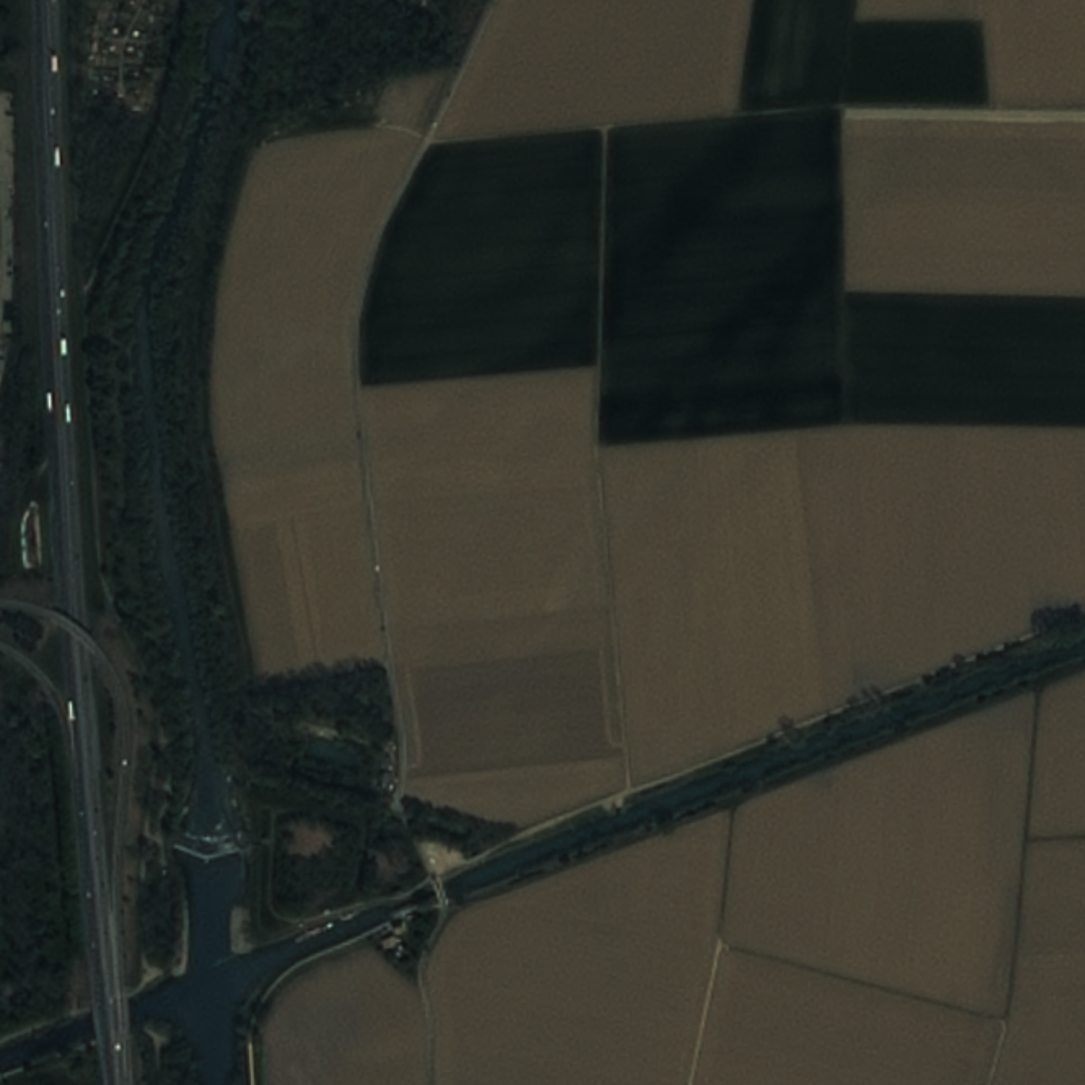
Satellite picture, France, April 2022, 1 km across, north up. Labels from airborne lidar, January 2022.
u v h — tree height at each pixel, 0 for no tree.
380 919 0
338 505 0
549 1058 0
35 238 0
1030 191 0
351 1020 0
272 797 0
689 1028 0
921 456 0
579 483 0
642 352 0
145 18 0
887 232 0
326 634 0
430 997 0
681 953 0
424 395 0
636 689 0
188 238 20
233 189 22
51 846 18
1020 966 0
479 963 0
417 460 0
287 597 0
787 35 0
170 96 16
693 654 0
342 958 0
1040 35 0
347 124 0
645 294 0
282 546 0
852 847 0
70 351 0
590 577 0
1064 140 0
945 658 0
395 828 14
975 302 0
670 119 0
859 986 0
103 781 0
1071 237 0
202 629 15
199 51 17
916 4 0
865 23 0
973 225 0
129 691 0
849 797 0
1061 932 0
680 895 0
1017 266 0
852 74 0
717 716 0
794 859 0
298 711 27
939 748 0
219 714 15
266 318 0
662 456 0
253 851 0
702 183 0
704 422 0
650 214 0
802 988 0
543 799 0
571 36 0
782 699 0
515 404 0
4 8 10
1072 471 0
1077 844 0
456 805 0
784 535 0
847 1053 0
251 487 0
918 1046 0
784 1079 0
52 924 5
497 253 0
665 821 15
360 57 21
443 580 0
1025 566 0
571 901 0
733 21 0
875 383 0
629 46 0
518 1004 0
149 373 0
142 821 0
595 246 0
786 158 0
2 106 0
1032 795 0
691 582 0
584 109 0
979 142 0
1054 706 0
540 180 0
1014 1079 0
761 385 0
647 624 0
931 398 0
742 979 0
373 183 0
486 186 0
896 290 0
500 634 0
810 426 0
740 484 0
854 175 0
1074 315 0
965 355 0
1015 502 0
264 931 0
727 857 0
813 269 0
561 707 0
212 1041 0
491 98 0
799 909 0
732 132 0
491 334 0
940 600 0
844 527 0
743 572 0
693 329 0
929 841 0
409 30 22
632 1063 0
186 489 17
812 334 0
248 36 12
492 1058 0
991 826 0
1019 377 0
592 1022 0
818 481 0
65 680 0
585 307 0
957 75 0
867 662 0
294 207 0
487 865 0
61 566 0
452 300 0
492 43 0
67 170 0
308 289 0
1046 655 0
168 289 19
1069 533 0
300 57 19
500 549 0
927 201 0
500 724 0
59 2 0
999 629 0
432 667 0
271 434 0
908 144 0
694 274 0
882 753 0
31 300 0
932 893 0
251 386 0
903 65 0
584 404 0
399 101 0
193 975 0
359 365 0
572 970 0
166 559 0
